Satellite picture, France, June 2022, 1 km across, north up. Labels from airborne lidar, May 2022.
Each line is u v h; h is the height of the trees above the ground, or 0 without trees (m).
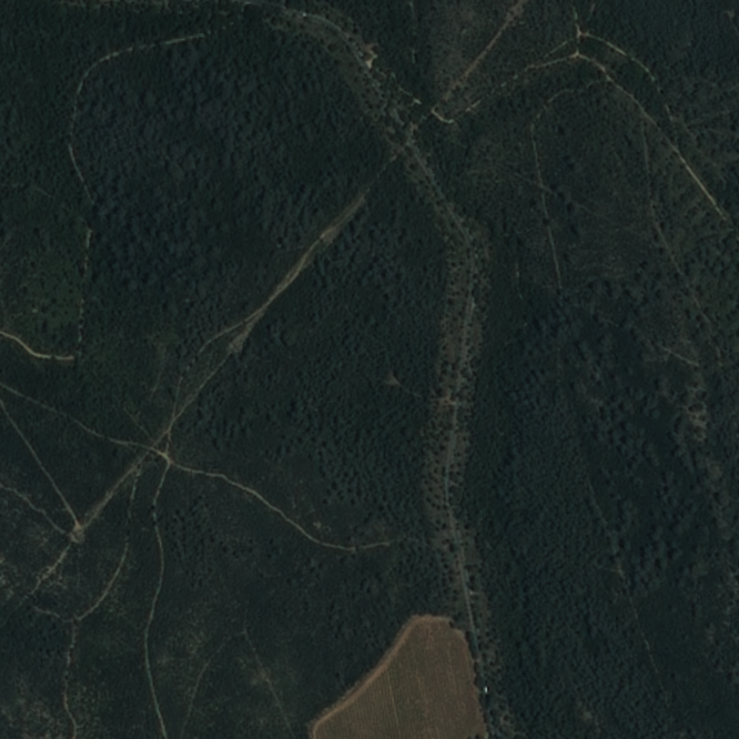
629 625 11
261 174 20
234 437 20
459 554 18
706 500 6
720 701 5
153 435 7
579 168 21
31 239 6
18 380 8
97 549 6
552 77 6
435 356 19
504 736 26
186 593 8
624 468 13
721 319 16
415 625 0
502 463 8
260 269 12
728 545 5
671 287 7
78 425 8
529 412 15
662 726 14
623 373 5
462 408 7
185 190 7
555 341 18
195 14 14
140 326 9
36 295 7
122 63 8
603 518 13
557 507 17
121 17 17
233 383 9
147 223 10
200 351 14
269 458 9
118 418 7
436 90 16
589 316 6
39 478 7
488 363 9
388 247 20
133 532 8
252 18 16
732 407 17
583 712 7
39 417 8
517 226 15
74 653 12
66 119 18
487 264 16
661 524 7
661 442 6
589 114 14
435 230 10
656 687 7
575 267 17
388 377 20
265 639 7
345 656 6
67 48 8
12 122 23
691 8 12
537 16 10
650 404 18
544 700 20
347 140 11
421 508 16
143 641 7
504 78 10
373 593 20
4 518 6
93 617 5
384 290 21
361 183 7
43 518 6
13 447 7
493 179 12
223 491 6
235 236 6
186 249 17
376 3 9
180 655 6
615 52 11
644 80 9
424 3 9
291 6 16
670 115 15
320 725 0
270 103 8
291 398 6
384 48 10
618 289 20
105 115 21
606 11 11
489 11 5
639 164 6
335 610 18
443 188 9
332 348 9
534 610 20
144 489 7
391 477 16
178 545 17
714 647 6
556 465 17
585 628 7
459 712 0
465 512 10
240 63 20
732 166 13
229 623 6
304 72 9
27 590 5
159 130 15
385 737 0
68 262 11
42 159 18
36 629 6
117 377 5
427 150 9
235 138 24
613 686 19
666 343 9
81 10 9
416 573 15
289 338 26
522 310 10
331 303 13
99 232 11
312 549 6
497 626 21
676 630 6
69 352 9
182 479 6
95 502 6
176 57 23
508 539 13
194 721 6
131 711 6
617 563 22
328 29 7
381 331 22
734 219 9
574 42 7
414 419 7
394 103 12
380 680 0
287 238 16
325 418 15
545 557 17
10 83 7
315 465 7
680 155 16
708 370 13
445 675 0
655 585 20
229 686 6
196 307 17
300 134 7
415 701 0
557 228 20
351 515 6
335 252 6
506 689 15
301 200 22
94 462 17
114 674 7
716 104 14
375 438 19
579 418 6
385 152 14
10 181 9
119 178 7
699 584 6
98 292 16
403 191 8
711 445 14
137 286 23
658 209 10
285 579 7
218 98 13
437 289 10
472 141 13
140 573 9
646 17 10
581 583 20
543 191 11
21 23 15
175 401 13
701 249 15
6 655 7
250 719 7
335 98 15
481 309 8
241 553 7
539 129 7
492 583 15
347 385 17
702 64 6
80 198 15
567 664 15
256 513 5
